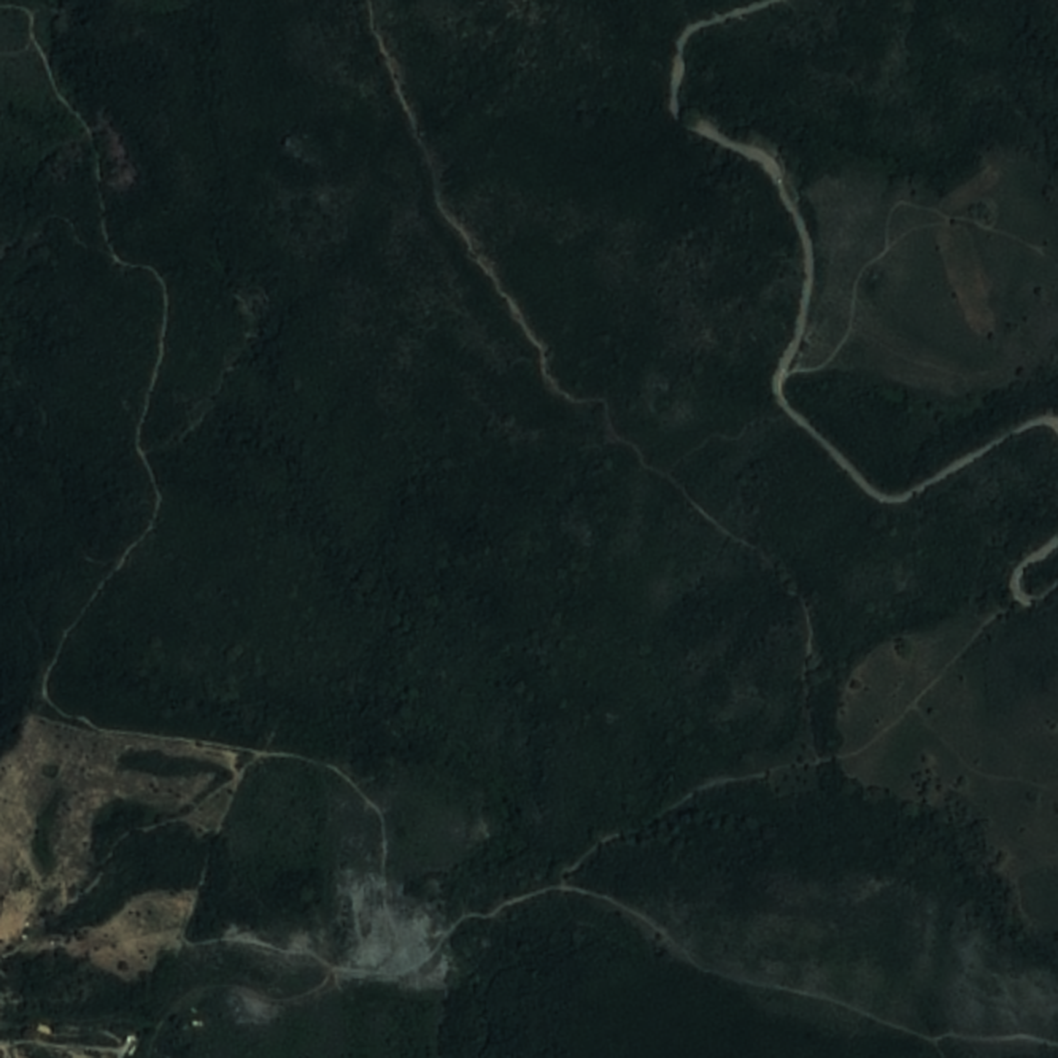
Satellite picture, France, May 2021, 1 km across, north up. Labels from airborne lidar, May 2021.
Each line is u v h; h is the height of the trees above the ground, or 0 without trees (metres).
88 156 6
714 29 7
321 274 5
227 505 8
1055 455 6
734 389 11
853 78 12
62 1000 7
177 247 9
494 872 9
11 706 10
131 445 6
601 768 6
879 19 6
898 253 0
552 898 6
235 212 6
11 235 7
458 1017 9
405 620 15
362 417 6
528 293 5
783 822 6
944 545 6
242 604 6
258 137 8
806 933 0
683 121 13
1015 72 7
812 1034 6
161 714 9
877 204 0
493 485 6
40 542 7
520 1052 9
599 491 8
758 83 7
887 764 0
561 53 10
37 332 8
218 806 0
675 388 10
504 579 5
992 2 9
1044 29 6
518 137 6
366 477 9
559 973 8
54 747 0
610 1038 5
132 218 8
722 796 6
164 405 6
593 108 8
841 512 6
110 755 0
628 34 7
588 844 6
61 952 8
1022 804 0
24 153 6
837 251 0
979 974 0
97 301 6
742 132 11
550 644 9
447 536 9
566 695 5
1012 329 8
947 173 8
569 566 9
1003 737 0
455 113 6
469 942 9
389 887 0
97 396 7
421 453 12
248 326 7
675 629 9
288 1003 0
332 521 5
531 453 5
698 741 6
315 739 6
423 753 10
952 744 0
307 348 7
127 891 8
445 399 6
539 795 8
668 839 9
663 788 9
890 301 0
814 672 9
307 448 9
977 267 0
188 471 7
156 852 7
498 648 6
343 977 0
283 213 6
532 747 7
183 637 6
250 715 12
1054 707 0
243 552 6
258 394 6
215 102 8
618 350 10
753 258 9
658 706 7
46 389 6
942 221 0
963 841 9
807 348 9
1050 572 9
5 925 0
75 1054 0
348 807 0
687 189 8
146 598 7
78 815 0
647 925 0
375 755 10
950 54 7
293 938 0
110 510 5
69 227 7
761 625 6
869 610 7
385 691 14
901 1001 0
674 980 6
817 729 6
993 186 0
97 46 9
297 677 6
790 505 6
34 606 7
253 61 6
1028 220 0
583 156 6
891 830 5
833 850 7
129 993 6
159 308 7
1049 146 8
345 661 9
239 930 0
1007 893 10
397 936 0
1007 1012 0
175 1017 9
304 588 7
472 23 8
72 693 6
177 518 6
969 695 0
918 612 8
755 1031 5
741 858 8
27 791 0
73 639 9
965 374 0
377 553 10
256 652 8
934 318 0
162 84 7
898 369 0
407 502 15
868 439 7
